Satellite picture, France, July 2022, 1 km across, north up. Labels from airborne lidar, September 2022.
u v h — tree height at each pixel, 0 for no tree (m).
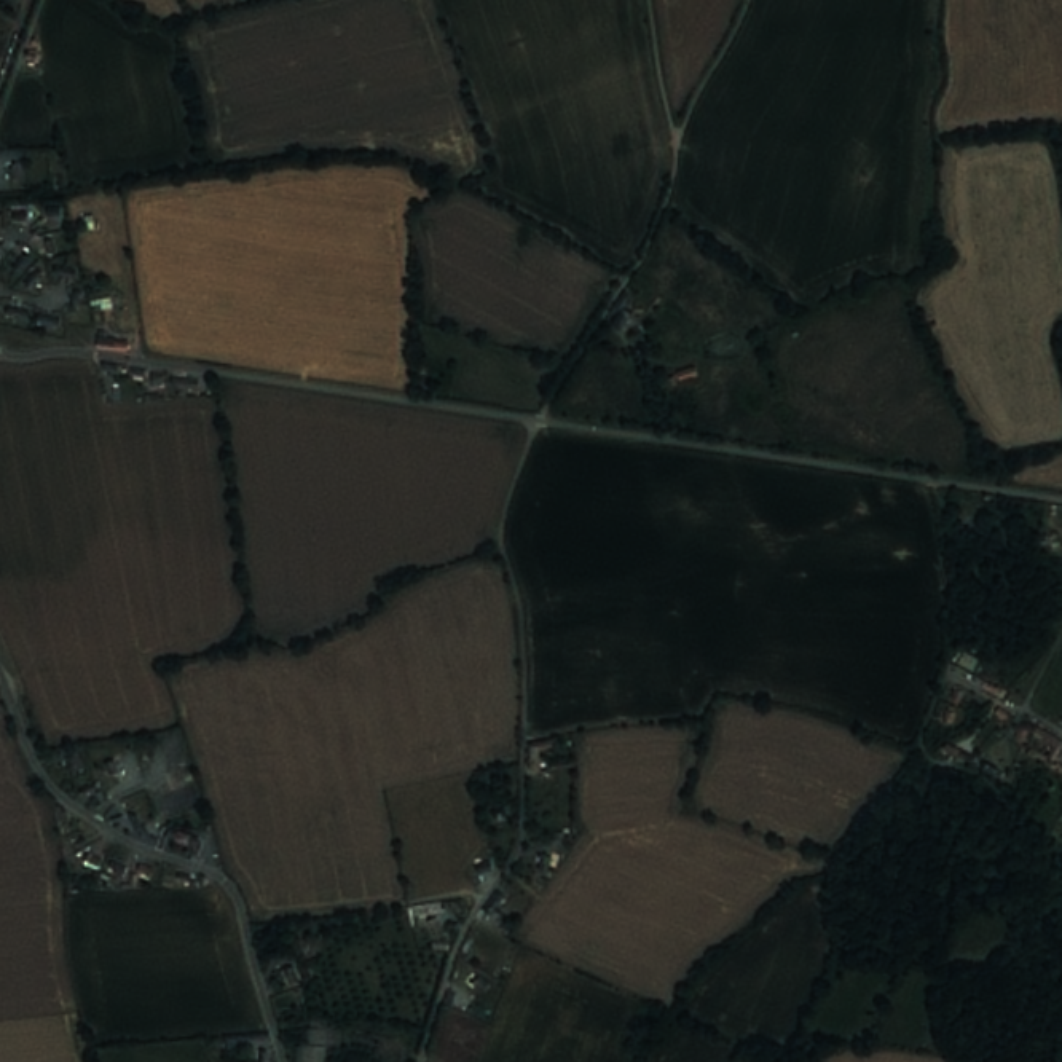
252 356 0
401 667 0
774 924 0
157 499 0
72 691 0
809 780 0
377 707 0
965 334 0
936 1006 16
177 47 5
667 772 0
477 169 0
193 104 15
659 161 0
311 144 0
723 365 0
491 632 0
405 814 0
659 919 0
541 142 0
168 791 0
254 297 0
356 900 0
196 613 0
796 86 0
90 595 0
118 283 0
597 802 0
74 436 0
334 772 0
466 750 0
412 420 0
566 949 0
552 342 0
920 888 22
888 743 8
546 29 0
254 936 6
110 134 0
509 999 0
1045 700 0
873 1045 16
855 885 22
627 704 0
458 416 0
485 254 0
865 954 19
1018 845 18
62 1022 0
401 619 0
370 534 0
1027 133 16
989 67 0
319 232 0
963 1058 20
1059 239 0
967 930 19
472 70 0
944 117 0
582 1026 0
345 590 0
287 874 0
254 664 0
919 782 22
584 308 0
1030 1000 24
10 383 0
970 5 0
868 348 0
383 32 0
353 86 0
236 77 0
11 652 0
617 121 0
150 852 0
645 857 0
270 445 0
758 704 16
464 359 0
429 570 7
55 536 0
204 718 0
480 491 0
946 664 9
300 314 0
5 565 0
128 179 10
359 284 0
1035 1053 19
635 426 7
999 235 0
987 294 0
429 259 0
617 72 0
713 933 0
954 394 7
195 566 0
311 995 11
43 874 0
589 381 0
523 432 0
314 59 0
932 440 0
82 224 10
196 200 0
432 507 0
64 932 0
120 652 0
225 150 0
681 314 0
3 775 0
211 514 0
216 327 0
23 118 0
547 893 0
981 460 10
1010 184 0
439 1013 8
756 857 0
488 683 0
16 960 0
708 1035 13
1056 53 0
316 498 0
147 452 0
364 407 0
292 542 0
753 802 0
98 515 0
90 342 0
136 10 13
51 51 0
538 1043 0
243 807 0
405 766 0
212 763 0
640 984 0
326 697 0
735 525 0
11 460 0
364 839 0
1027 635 18
